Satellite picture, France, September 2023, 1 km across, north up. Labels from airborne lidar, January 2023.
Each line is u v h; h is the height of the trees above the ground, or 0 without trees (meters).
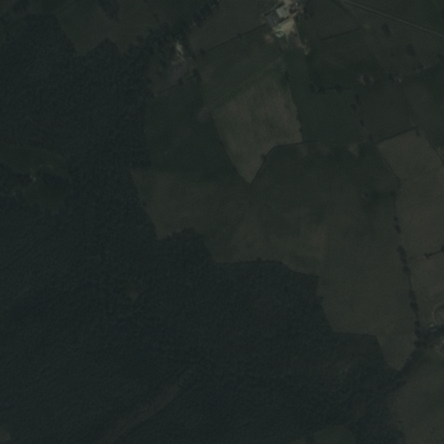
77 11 0
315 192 0
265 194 0
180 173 0
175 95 0
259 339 14
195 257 16
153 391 10
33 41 12
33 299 17
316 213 0
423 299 0
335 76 0
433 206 0
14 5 0
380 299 0
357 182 0
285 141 0
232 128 0
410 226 0
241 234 0
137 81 18
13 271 11
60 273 9
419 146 0
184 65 0
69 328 13
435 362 0
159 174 0
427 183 0
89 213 25
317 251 0
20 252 9
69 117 23
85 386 12
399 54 0
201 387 10
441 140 0
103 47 13
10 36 6
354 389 10
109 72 15
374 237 0
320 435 0
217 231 0
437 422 0
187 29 17
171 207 0
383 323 0
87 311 18
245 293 11
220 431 16
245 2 0
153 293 18
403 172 0
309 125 0
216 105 0
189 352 22
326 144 0
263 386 25
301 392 17
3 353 12
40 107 14
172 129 0
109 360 9
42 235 8
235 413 15
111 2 12
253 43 0
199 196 0
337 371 8
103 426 18
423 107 0
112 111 16
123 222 18
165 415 16
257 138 0
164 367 11
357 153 0
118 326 8
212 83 0
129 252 12
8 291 10
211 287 13
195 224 0
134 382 11
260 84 0
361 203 0
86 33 0
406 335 0
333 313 0
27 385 11
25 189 0
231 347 17
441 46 0
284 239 0
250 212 0
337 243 0
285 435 9
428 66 0
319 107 0
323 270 0
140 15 0
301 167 0
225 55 0
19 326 10
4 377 11
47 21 11
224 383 9
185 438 14
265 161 11
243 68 0
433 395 0
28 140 13
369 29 0
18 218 13
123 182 8
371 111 0
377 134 0
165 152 0
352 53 0
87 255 18
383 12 0
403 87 0
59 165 0
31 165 0
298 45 0
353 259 0
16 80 19
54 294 15
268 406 8
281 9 0
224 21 0
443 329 14
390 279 0
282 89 0
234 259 0
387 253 0
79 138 18
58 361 10
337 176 0
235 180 0
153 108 0
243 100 0
